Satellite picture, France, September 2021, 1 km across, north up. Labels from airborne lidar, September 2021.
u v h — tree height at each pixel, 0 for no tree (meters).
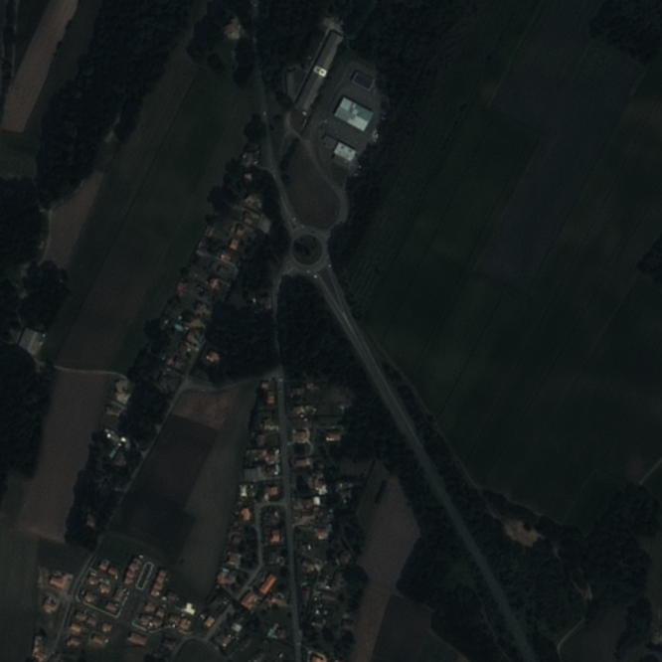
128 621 0
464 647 16
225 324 25
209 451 0
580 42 0
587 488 0
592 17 0
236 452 0
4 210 22
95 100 28
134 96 10
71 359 0
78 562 0
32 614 0
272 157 0
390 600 0
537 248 0
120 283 0
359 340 0
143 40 31
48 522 0
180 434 0
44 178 23
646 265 13
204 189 0
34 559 0
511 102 0
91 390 0
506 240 0
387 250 0
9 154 0
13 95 0
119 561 0
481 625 8
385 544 0
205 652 0
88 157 25
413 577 20
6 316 17
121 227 0
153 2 16
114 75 25
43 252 0
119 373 0
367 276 0
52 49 0
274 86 10
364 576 16
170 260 0
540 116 0
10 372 20
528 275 0
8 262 22
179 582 0
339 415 0
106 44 22
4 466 19
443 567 17
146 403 22
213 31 22
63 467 0
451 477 16
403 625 0
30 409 16
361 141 0
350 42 18
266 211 18
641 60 10
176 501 0
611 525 20
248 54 24
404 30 18
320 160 0
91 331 0
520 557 10
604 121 0
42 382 16
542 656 16
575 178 0
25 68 0
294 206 0
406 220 0
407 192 0
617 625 0
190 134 0
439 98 0
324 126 0
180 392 0
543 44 0
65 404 0
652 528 24
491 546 9
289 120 0
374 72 0
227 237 0
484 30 0
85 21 0
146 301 0
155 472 0
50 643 0
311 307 11
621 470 0
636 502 20
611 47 9
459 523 0
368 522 0
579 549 14
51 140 25
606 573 20
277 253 27
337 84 0
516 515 13
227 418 0
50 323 15
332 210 0
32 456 20
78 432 0
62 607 0
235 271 0
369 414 18
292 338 21
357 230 10
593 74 0
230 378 21
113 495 23
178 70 0
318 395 0
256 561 10
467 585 0
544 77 0
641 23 23
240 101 0
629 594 11
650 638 14
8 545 0
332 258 18
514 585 6
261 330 25
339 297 0
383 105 0
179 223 0
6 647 0
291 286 19
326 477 10
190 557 0
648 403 0
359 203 8
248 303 9
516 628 0
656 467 0
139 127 0
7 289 20
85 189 0
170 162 0
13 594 0
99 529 19
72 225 0
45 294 22
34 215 24
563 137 0
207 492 0
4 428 19
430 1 22
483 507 19
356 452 23
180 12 19
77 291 0
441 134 0
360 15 27
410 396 21
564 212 0
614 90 0
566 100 0
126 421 21
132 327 0
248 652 0
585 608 12
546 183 0
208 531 0
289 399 6
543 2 0
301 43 22
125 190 0
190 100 0
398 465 20
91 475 21
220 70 19
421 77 7
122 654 0
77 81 8
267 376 0
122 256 0
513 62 0
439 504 8
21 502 0
